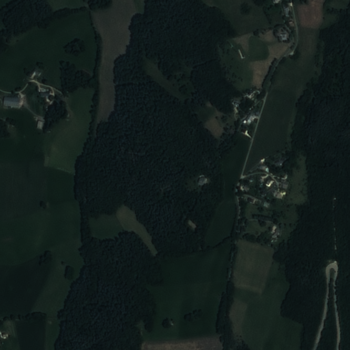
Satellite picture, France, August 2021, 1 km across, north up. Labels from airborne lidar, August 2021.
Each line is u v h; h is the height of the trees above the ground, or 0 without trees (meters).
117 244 25
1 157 0
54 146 0
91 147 20
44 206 15
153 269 22
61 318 22
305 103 14
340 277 19
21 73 0
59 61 0
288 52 0
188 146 14
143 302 17
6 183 0
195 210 15
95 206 12
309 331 18
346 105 13
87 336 19
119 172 21
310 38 0
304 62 0
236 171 0
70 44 11
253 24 0
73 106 0
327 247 12
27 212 0
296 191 0
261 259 0
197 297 0
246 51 0
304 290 22
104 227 0
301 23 0
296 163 9
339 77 18
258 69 0
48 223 0
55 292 0
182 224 24
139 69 19
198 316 11
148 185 18
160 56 17
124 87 19
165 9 16
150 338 0
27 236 0
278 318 0
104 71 0
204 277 0
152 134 18
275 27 7
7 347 0
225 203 0
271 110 0
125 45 0
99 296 27
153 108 19
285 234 0
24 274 0
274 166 10
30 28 11
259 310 0
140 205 22
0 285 0
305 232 23
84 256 20
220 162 19
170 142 12
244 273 0
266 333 0
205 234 9
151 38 21
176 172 25
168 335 0
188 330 0
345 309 15
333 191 15
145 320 10
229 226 0
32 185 0
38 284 0
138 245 14
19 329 0
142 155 14
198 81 16
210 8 12
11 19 21
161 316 0
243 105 12
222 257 0
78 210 0
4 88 0
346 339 15
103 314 25
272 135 0
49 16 18
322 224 17
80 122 0
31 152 0
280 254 19
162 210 17
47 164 0
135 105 23
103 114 0
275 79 8
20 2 16
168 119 12
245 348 11
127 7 0
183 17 19
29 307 0
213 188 14
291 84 0
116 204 14
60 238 0
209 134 22
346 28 17
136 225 0
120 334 17
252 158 0
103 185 15
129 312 21
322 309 14
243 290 0
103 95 0
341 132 27
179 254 20
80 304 22
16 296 0
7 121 7
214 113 0
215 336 0
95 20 0
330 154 25
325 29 10
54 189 0
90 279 29
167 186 23
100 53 16
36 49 0
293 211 0
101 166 23
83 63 0
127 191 22
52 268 0
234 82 6
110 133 23
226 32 10
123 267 14
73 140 0
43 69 10
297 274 22
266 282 0
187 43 15
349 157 21
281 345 0
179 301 0
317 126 30
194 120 16
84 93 0
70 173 0
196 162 15
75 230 0
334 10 13
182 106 22
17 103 0
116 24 0
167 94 17
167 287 0
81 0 0
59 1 0
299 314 19
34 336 0
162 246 21
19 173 0
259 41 0
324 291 16
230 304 14
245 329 0
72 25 0
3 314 0
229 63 0
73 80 10
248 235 14
